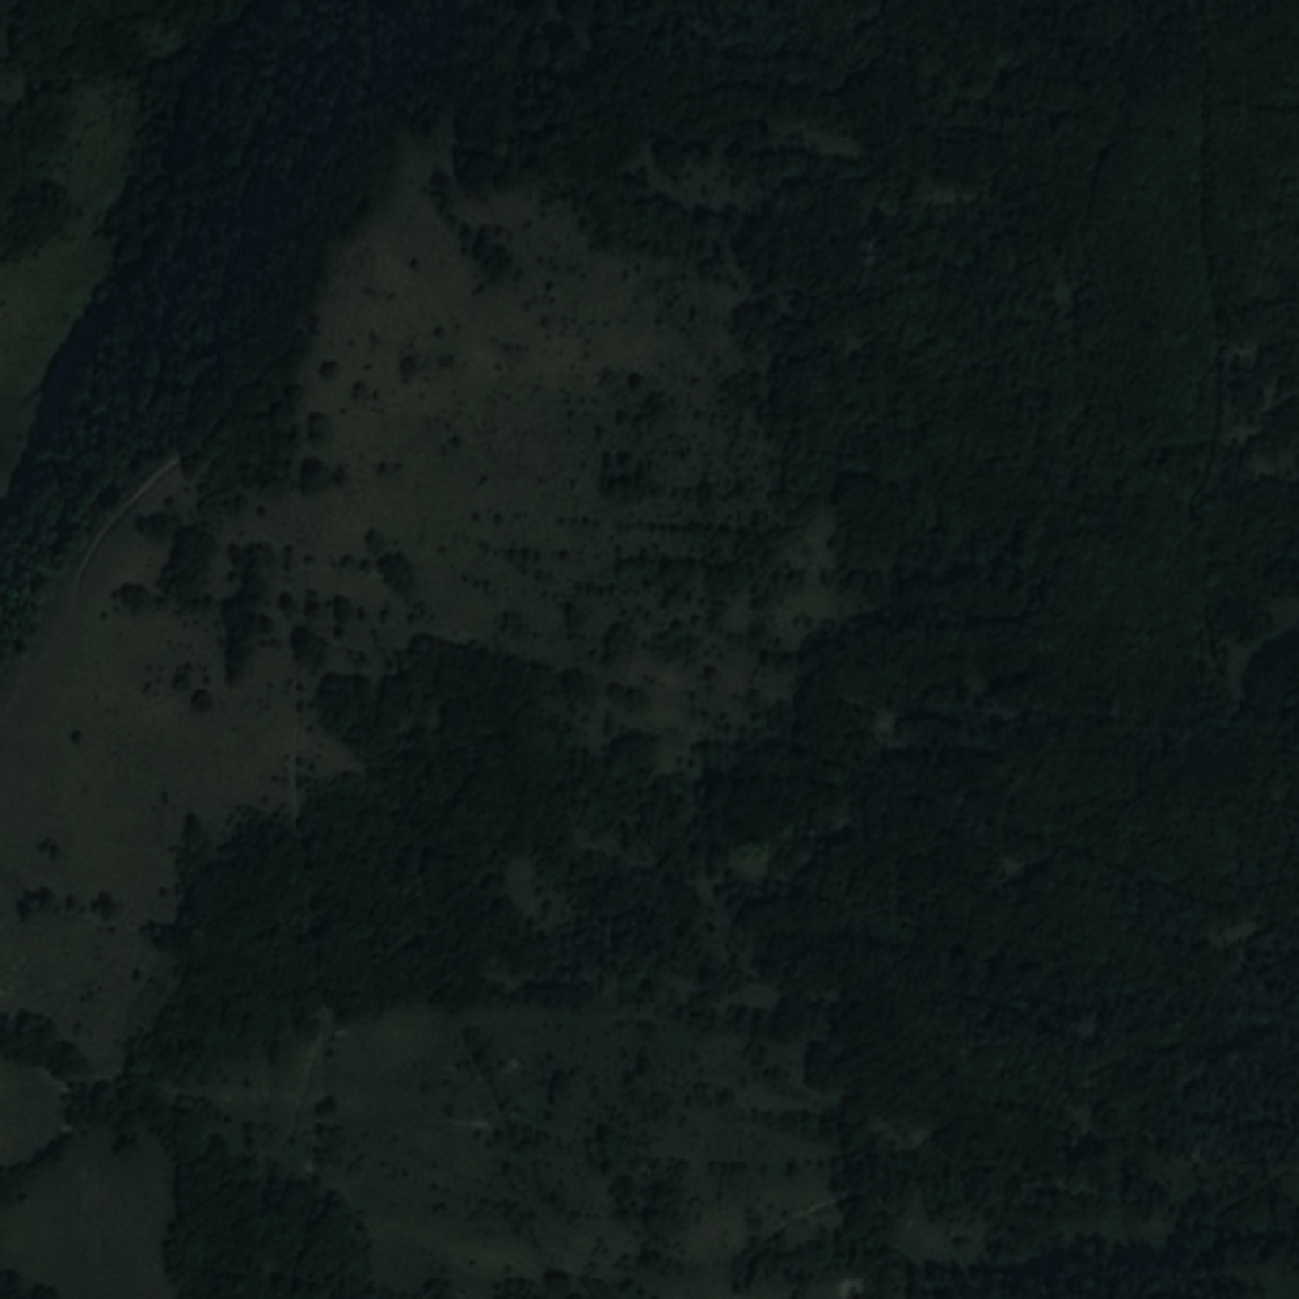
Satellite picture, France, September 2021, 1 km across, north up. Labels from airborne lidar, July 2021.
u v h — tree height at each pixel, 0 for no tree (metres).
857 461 18
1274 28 10
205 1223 13
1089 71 25
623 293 0
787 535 12
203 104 25
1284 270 13
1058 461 23
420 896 19
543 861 9
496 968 9
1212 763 19
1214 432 16
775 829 17
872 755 6
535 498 0
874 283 15
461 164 13
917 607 11
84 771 0
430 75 25
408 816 12
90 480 14
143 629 0
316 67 23
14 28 7
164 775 0
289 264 22
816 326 19
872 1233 13
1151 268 21
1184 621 24
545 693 11
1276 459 9
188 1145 18
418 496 0
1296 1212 9
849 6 12
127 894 0
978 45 10
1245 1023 19
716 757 14
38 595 14
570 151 19
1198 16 13
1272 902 18
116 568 0
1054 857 12
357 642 0
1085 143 19
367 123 27
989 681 12
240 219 9
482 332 0
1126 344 20
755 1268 15
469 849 14
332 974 25
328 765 0
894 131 21
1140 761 11
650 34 19
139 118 11
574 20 20
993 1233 5
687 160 14
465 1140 0
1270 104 9
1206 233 18
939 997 26
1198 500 15
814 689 19
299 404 9
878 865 23
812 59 13
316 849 20
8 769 0
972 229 17
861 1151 17
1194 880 21
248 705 0
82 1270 0
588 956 13
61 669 0
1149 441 25
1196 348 21
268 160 26
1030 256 20
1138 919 18
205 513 9
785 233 21
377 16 19
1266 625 16
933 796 6
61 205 20
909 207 14
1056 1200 17
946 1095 23
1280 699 18
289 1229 22
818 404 19
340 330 0
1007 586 21
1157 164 15
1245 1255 26
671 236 19
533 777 18
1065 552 18
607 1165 9
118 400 17
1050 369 14
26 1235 0
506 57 24
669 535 9
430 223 0
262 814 6
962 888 17
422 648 15
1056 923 21
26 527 16
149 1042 13
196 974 15
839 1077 20
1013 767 15
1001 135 9
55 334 0
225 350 20
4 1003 0
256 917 23
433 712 8
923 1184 10
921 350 9
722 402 6
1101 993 20
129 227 12
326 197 21
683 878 11
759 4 11
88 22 20
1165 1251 0
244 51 16
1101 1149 19
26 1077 0
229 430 16
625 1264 7
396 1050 0
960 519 17
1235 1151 12
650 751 19
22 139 12
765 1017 16
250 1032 14
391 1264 0
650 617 8
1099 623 21
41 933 0
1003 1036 18
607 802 11
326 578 0
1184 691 17
